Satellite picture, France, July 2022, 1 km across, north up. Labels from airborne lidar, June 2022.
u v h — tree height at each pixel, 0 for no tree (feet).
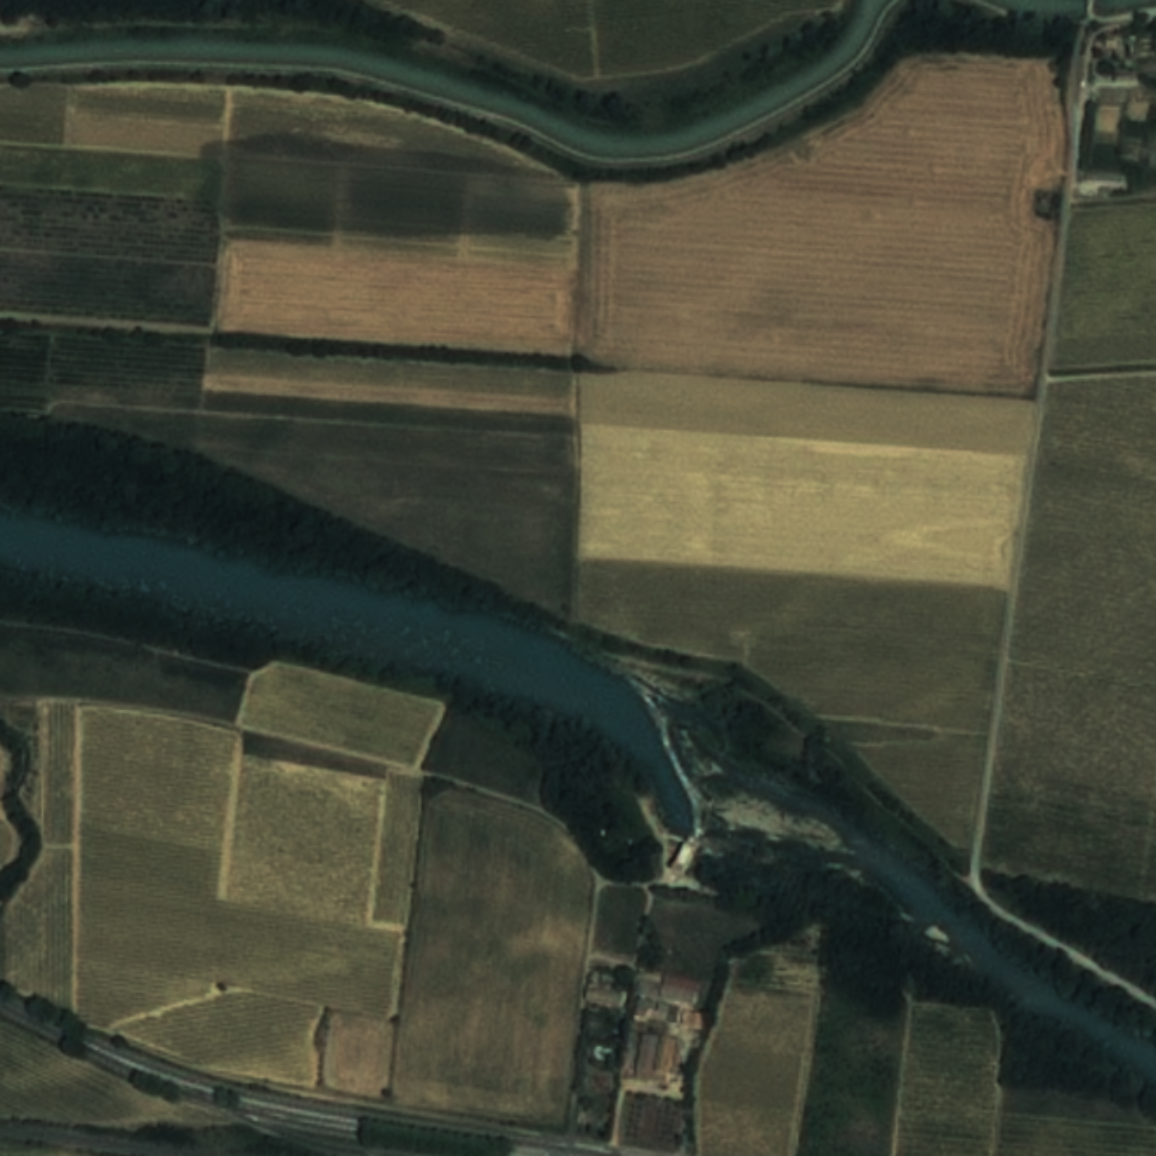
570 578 0
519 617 33
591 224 0
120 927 0
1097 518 0
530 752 35
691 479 0
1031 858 0
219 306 0
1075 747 0
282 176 0
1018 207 0
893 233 0
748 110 0
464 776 0
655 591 0
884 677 0
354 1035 0
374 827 0
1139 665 0
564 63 0
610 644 43
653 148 0
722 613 0
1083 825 0
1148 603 0
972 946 0
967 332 0
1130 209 0
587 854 31
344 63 0
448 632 0
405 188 0
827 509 0
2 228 0
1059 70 38
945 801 0
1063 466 0
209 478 81
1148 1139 0
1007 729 0
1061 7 0
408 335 0
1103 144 0
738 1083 0
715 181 0
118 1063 0
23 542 0
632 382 0
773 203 0
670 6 0
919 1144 0
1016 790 0
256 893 0
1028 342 0
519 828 0
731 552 0
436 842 0
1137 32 44
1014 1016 35
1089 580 0
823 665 0
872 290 0
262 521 57
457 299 0
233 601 0
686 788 0
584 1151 0
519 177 0
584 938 0
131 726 0
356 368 0
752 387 0
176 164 0
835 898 88
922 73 0
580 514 0
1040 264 0
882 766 0
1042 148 0
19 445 54
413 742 0
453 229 0
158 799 0
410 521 0
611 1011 27
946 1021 0
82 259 0
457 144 0
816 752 53
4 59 0
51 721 0
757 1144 0
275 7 28
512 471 0
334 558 42
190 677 0
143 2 49
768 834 0
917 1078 0
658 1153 0
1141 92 0
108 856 0
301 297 0
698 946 0
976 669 0
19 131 0
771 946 41
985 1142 0
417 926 0
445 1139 49
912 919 0
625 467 0
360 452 0
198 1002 0
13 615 38
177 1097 60
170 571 0
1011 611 0
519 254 0
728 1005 0
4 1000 57
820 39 31
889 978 28
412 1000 0
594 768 74
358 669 27
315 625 0
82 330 21
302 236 0
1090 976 47
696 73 0
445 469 0
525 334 0
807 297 0
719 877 62
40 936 0
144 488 47
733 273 0
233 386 0
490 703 39
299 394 0
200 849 0
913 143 0
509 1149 63
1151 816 0
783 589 0
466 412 0
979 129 0
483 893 0
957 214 0
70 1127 22
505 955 0
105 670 0
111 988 0
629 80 0
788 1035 0
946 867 38
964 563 0
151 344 44
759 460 0
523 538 0
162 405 0
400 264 0
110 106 0
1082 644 0
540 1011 0
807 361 0
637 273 0
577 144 0
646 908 0
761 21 0
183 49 0
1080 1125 0
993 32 37
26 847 37
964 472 0
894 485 0
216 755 0
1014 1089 23
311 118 0
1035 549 0
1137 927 24
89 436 52
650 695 0
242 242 0
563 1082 0
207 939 0
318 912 0
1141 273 0
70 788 0
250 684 0
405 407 0
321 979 0
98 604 59
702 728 0
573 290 0
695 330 0
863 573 0
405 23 44
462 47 0
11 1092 0
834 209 0
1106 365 0
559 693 0
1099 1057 85
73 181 0
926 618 0
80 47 0
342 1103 0
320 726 0
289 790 0
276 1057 0
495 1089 0
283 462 0
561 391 0
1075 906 31
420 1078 0
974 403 0
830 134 0
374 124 0
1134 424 0
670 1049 0
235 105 0
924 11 79
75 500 42
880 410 0
